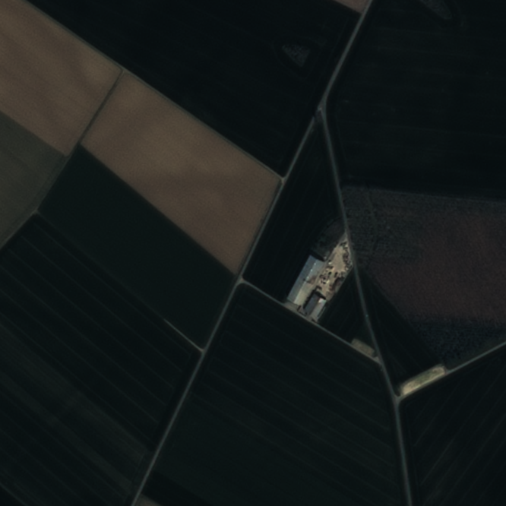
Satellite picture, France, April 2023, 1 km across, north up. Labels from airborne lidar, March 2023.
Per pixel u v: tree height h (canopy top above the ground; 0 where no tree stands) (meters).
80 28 0
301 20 0
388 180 0
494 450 0
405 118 0
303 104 0
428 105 0
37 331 0
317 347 0
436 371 0
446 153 0
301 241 0
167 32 0
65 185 0
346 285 0
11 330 0
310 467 0
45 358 0
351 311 0
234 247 0
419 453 0
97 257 0
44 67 0
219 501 0
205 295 0
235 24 0
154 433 0
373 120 0
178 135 0
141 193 0
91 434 0
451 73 0
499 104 0
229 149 0
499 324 13
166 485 0
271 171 0
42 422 0
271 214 0
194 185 0
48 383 0
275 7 0
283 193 0
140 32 0
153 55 0
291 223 0
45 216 0
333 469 0
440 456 0
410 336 0
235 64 0
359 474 0
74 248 0
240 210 0
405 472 0
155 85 0
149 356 0
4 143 0
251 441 0
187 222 0
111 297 0
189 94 0
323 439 0
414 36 0
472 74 0
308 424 0
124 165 0
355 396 0
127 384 0
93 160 0
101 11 0
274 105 0
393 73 0
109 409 0
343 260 0
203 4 0
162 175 0
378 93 0
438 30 0
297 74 0
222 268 0
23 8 0
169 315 0
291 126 0
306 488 0
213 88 0
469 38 0
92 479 0
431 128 0
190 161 0
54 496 0
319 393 0
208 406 0
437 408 0
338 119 0
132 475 0
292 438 0
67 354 0
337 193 0
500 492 0
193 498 0
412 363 0
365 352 0
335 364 0
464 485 0
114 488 0
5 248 0
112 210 0
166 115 0
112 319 0
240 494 0
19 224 0
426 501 0
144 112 0
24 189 0
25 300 0
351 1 0
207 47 0
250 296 0
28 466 0
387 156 0
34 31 0
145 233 0
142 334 0
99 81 0
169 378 0
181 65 0
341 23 0
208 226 0
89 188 0
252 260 0
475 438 0
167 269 0
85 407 0
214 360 0
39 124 0
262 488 0
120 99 0
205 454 0
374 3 0
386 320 0
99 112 0
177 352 0
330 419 0
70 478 0
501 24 0
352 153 0
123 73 0
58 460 0
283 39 0
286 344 0
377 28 0
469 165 0
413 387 0
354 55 0
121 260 0
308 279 0
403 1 0
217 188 0
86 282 0
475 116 0
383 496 0
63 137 0
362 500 0
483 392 0
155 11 0
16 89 0
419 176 0
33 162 0
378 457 0
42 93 0
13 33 0
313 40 0
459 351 8
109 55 0
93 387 0
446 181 0
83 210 0
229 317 0
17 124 0
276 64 0
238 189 0
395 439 0
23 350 0
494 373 0
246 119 0
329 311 0
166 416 0
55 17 0
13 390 0
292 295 0
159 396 0
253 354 0
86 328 0
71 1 0
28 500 0
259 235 0
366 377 0
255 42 0
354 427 0
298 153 0
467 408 0
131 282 0
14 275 0
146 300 0
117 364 0
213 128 0
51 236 0
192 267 0
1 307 0
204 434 0
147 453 0
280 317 0
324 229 0
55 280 0
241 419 0
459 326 12
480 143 0
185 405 0
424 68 0
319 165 0
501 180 0
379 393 0
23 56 0
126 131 0
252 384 0
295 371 0
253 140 0
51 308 0
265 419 0
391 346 0
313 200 0
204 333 0
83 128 0
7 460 0
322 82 0
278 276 0
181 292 0
